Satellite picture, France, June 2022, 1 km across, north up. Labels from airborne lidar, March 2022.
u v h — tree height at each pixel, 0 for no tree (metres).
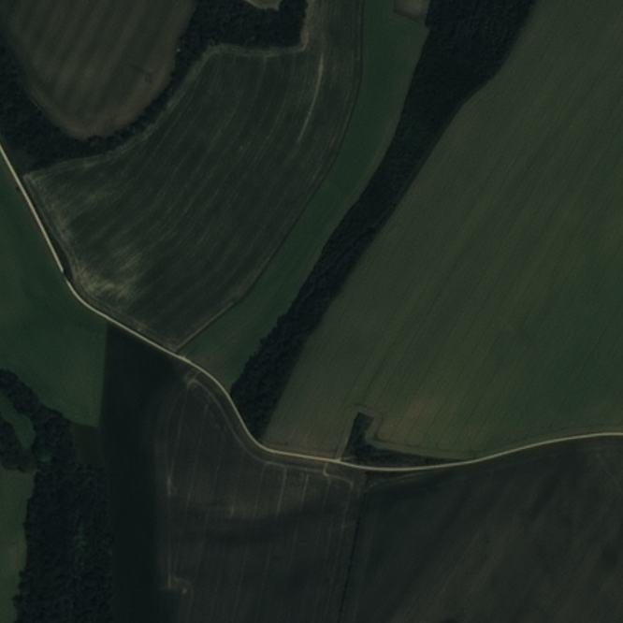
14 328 0
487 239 0
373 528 0
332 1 0
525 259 0
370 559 0
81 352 0
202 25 10
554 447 0
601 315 0
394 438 0
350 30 0
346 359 0
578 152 0
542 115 0
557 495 0
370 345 0
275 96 0
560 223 0
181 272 0
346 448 0
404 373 0
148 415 0
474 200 0
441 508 0
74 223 0
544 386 0
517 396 0
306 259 0
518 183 0
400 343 0
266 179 0
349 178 0
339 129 0
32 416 19
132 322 0
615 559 0
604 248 0
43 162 7
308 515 0
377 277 0
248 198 0
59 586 12
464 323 0
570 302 0
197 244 0
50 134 15
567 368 0
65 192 0
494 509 0
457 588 0
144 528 0
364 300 0
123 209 0
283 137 0
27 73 0
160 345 0
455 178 0
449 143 0
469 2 11
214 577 0
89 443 0
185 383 0
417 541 0
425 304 0
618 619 0
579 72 0
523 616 0
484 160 0
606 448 0
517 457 0
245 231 0
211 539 0
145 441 0
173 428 0
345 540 0
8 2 0
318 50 0
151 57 0
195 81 0
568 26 0
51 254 0
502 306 0
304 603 0
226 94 0
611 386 0
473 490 0
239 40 7
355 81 0
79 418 0
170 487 0
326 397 0
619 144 0
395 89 0
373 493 0
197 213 0
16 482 0
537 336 0
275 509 0
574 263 0
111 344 0
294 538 0
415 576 0
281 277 0
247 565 0
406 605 0
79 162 0
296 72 0
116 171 0
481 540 0
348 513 0
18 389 25
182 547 0
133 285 0
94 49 0
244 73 0
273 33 15
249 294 0
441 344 0
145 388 0
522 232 0
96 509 17
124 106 0
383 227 0
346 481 0
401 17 0
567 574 0
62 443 20
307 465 0
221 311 0
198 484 0
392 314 0
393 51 0
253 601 0
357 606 0
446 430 0
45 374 0
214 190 0
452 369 0
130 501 0
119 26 0
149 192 0
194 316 0
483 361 0
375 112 0
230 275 0
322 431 0
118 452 0
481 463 0
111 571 12
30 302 0
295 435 0
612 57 0
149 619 0
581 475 0
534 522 0
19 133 9
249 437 0
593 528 0
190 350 0
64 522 21
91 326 0
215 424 0
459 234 0
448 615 0
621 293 0
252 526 0
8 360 0
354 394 0
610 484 0
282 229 0
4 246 0
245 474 0
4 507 0
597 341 0
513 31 10
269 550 0
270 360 20
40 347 0
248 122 0
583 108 0
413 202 0
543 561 0
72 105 0
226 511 0
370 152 0
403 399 0
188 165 0
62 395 0
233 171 0
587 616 0
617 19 0
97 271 0
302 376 0
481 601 0
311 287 15
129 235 0
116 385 0
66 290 0
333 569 0
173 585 0
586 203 0
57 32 0
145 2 0
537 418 0
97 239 0
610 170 0
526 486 0
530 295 0
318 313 16
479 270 0
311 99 0
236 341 0
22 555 0
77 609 8
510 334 0
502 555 0
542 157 0
